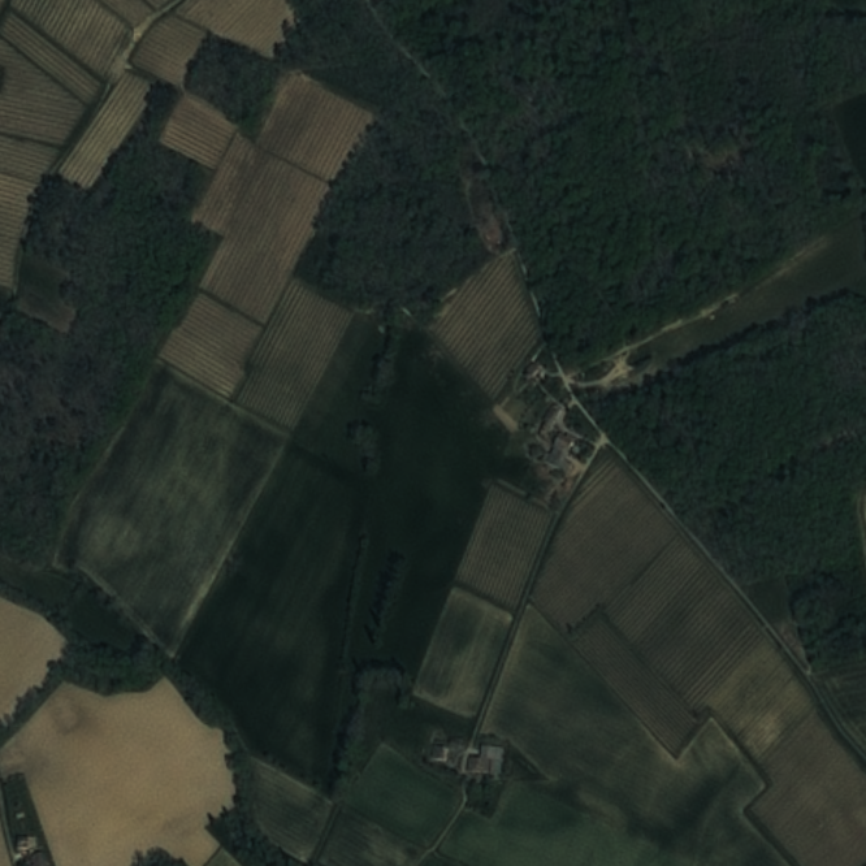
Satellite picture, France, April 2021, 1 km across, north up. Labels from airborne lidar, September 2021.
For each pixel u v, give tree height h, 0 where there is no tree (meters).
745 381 25
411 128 15
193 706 16
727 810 0
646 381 0
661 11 27
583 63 25
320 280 7
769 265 15
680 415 22
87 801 0
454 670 0
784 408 20
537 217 22
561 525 0
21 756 0
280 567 0
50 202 17
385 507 0
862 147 0
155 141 13
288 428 0
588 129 25
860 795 0
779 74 13
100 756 0
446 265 19
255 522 0
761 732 0
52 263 20
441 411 0
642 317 22
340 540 0
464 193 16
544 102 16
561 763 0
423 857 0
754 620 0
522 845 0
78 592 7
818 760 0
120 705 0
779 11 16
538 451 12
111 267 21
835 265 0
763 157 21
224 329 0
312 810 0
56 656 0
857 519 14
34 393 17
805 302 0
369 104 10
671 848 0
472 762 0
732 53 10
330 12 19
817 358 22
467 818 0
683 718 0
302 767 0
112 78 0
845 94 13
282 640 0
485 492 0
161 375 0
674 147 20
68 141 0
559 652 0
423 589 0
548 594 0
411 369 0
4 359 21
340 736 0
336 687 0
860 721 0
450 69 24
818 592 7
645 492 0
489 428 0
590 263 22
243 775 18
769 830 0
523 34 8
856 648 25
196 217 0
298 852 0
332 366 0
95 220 21
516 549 0
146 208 23
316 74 13
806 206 20
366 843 0
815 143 15
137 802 0
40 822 0
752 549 21
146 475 0
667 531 0
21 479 8
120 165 21
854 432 22
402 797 0
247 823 17
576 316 27
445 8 10
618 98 28
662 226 20
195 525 0
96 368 21
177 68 0
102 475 0
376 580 0
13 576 0
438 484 0
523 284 0
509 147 13
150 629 0
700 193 19
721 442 24
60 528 15
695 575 0
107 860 0
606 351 24
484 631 0
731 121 7
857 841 0
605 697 0
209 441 0
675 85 22
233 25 0
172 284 25
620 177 27
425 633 0
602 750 0
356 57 16
